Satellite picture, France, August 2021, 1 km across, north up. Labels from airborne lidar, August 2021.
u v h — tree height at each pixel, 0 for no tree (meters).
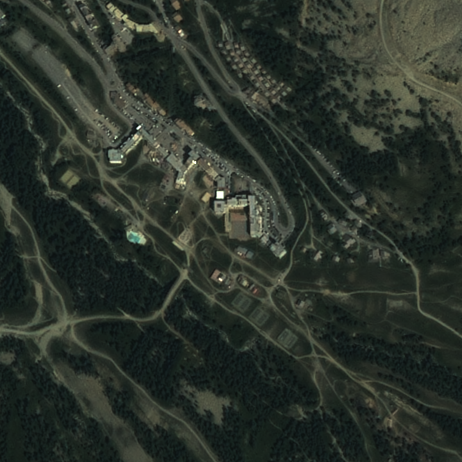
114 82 0
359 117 10
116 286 26
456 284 0
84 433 13
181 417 0
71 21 0
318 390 0
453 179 10
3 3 10
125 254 0
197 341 14
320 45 0
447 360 0
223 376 23
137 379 18
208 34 0
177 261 0
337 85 0
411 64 0
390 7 0
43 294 0
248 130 14
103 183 0
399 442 14
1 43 7
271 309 0
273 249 0
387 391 0
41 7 0
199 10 0
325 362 0
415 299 0
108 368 0
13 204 0
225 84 0
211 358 22
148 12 0
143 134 0
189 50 0
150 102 0
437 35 0
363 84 0
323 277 0
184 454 19
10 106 20
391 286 0
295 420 15
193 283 0
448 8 0
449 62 0
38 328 0
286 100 7
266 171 0
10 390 8
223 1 0
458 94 0
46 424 9
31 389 0
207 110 13
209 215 0
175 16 0
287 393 15
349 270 0
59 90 0
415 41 0
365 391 0
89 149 0
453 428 21
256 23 0
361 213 11
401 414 0
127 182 0
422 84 0
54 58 0
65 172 0
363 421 0
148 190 0
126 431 0
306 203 0
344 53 0
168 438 16
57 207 13
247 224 0
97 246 20
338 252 0
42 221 24
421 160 9
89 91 0
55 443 8
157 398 16
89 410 0
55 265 20
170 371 25
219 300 0
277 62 22
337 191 16
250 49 0
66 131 0
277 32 0
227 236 0
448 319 0
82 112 0
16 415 0
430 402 0
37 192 20
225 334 0
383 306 0
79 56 0
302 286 0
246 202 0
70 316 0
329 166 0
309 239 0
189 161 0
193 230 0
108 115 0
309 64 13
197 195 0
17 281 23
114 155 0
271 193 0
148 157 0
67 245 16
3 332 0
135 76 16
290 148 12
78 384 0
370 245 0
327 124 16
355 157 13
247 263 0
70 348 0
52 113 0
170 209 0
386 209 0
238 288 0
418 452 17
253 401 15
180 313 10
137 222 0
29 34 0
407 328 0
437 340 0
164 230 0
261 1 0
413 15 0
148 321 0
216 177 0
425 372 7
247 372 13
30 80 0
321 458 21
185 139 0
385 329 0
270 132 17
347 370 0
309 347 0
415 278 0
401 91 0
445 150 10
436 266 0
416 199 0
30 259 0
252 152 0
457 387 12
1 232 0
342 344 14
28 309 0
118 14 0
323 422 20
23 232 0
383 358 11
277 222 0
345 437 21
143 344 19
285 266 0
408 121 0
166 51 6
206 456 0
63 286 0
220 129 16
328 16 12
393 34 0
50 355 0
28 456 14
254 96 0
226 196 0
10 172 24
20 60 9
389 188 7
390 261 0
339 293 0
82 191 8
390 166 16
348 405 0
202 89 0
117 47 0
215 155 0
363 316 0
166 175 0
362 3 0
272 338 0
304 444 13
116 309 22
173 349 22
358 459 17
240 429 11
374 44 0
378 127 7
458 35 0
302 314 0
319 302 7
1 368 12
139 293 22
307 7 0
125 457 0
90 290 24
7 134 13
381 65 0
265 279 0
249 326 0
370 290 0
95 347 0
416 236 16
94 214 21
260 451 0
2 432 11
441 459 0
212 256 0
